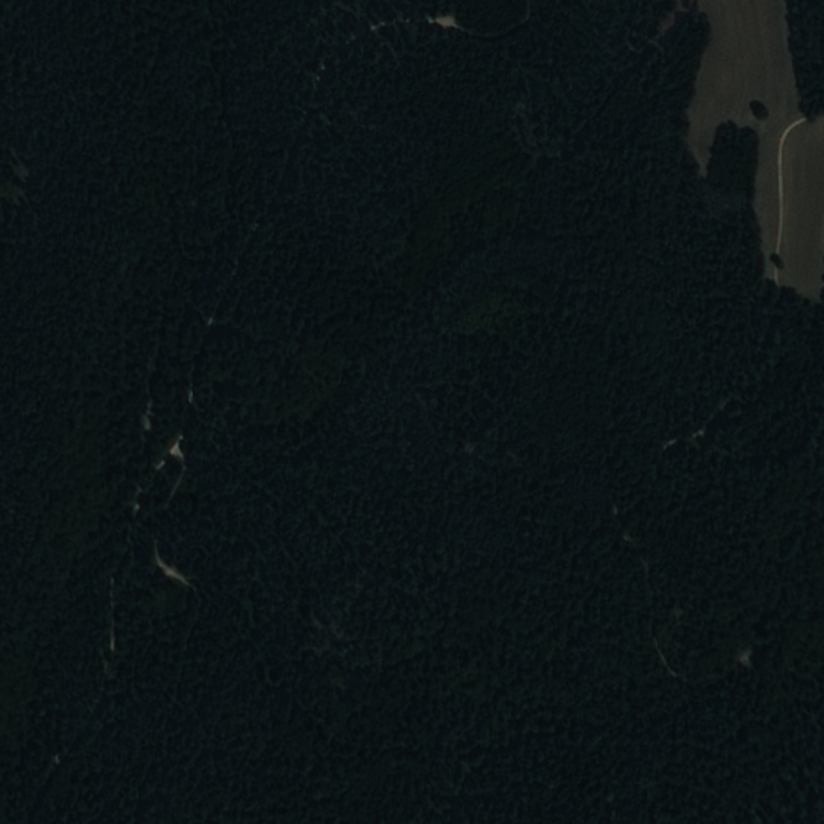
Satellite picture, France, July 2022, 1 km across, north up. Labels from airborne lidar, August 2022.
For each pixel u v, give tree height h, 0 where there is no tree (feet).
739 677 36
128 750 72
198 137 101
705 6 0
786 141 0
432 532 44
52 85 57
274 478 82
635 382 49
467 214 30
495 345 51
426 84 34
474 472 56
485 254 80
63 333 66
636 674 21
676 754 74
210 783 90
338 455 47
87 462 101
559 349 70
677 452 60
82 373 83
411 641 85
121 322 98
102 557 91
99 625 88
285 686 54
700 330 37
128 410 60
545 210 41
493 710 96
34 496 79
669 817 71
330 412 22
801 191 0
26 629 72
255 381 70
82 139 74
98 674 92
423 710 94
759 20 0
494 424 73
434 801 80
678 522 53
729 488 63
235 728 86
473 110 50
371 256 81
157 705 79
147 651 45
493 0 52
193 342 91
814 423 91
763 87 0
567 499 51
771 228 0
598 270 88
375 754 43
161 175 99
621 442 75
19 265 78
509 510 73
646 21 70
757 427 33
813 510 69
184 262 95
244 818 62
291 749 67
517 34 47
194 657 64
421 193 56
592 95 33
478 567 85
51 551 65
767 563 87
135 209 94
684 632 30
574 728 79
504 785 61
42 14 84
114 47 72
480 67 20
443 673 70
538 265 77
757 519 79
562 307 92
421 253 35
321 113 41
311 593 72
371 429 62
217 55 54
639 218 65
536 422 54
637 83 52
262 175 65
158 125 93
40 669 84
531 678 101
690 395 57
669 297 51
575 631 21
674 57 46
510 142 33
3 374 77
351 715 84
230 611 69
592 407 52
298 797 63
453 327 35
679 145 69
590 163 45
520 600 59
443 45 83
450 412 77
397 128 55
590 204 71
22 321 82
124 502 41
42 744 81
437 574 19
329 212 49
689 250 41
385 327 100
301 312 73
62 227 92
